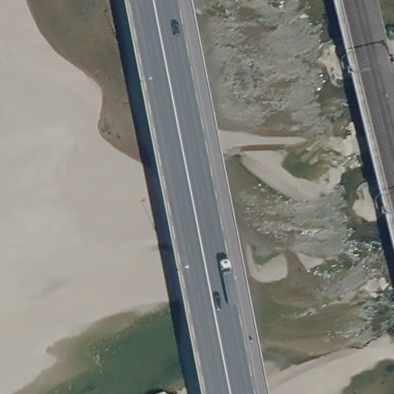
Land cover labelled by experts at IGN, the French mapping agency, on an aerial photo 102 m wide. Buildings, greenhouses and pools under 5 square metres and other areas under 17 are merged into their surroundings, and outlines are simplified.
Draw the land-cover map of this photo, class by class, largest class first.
<instances>
[{"label":"water","instance_id":"1","mask_svg":"<svg viewBox=\"0 0 394 394\"><path fill-rule=\"evenodd\" d=\"M38 31L42 32L52 49L75 68L82 69L86 75L94 78L102 88V111L98 119V131L103 139L123 154L129 155L131 159L142 163L154 155L125 0H26ZM195 5L199 6L200 34L206 51V65L211 74L212 95L219 125L260 137H302L303 143L299 145L240 146L243 151L286 152L288 155L282 166L289 174L299 179L319 180L320 175L329 169L339 166L345 168L342 179L331 192H322L317 199L297 200L291 195L277 191L265 180L252 174L243 165L240 155H229L226 157V165L231 179L237 222L240 226V240L246 251L251 249L252 259L259 265H265L274 257L283 255L288 268L285 279L275 282H260L251 277L249 285L254 297L255 316L259 323L263 357L266 362H274L283 371L292 365L329 356L332 352L363 349L380 337L394 336V249L385 215L380 219L377 217L376 222H369L354 211L357 188L368 183L369 194L372 195L379 191V185L369 154L368 140L352 77L346 78L343 86L337 88L331 83L328 68L320 62L323 51L328 46H336V52L345 49L334 0H195ZM349 123H354L356 128L359 154L352 152L345 155L328 146L329 137H348ZM372 279H386V282L391 283L392 289H379L377 297H371L368 291H365V285ZM385 28H394V0H379ZM48 354L55 357L54 365L43 369L35 377L34 382L12 394H202L182 299L175 302V297H171L162 309L148 312L145 316H140L139 312L135 311L119 312L91 323L88 331L82 332L80 336L68 337L54 343L48 348ZM343 394H394V360H382L374 368L366 369L352 377L349 385L342 389Z\"/></svg>","mask_w":394,"mask_h":394},{"label":"bare soil","instance_id":"2","mask_svg":"<svg viewBox=\"0 0 394 394\"><path fill-rule=\"evenodd\" d=\"M102 111V88L94 78L86 75L82 69L75 68L52 49L42 32L38 31L26 0H0V394H12L34 382L35 377L43 369L54 365L55 357L48 354V348L54 343L68 337L80 336L82 332L88 331L91 323L119 312L135 311L139 312L140 316H145L148 312L162 309L171 297H175V302L182 299L154 155L142 163L131 159L129 155L123 154L103 139L98 131V119ZM348 137H329L328 146L345 155L352 152L359 154L356 128L354 123H349ZM217 128L220 142L222 146L229 148V155H240L243 165L252 174L265 180L277 191L291 195L297 200L317 199L322 192H331L342 179L345 168L339 166L329 169L320 175L319 180L299 179L289 174L282 166L288 155L286 152L243 151L240 146L299 145L303 143L302 137H260L219 125ZM251 277L260 282H275L285 279L288 268L283 255L274 257L265 265H259L252 259L251 249L246 251ZM379 289H392L391 283L386 282V279H372L365 285V291H368L371 297H377ZM394 360V336L380 337L363 349L332 352L329 356L292 365L283 371L274 362H266L269 394H343L342 389L349 385L352 377L366 369L374 368L382 360Z\"/></svg>","mask_w":394,"mask_h":394},{"label":"impervious surface","instance_id":"3","mask_svg":"<svg viewBox=\"0 0 394 394\"><path fill-rule=\"evenodd\" d=\"M154 155L182 299L202 394H269L266 362L263 357L259 323L255 316L254 297L249 285L251 277L246 251L240 240V226L237 222L231 179L226 165V157L229 155V148L222 146L220 142L217 128L219 125L212 95L211 74L206 65V51L200 34L199 6L195 5V0H125ZM345 49L336 52V46H328L323 51L320 62L328 68L331 83L337 88L343 86L346 78L352 77L368 140L369 154L379 185V191L372 195L369 194L368 183L357 188L354 211L369 222H376L377 217L380 219L385 215L394 249V212L380 162L379 146L372 131L371 115L342 0H334Z\"/></svg>","mask_w":394,"mask_h":394},{"label":"pervious surface","instance_id":"4","mask_svg":"<svg viewBox=\"0 0 394 394\"><path fill-rule=\"evenodd\" d=\"M371 115L372 131L379 146L380 162L394 212V28H385L379 0H342Z\"/></svg>","mask_w":394,"mask_h":394}]
</instances>
